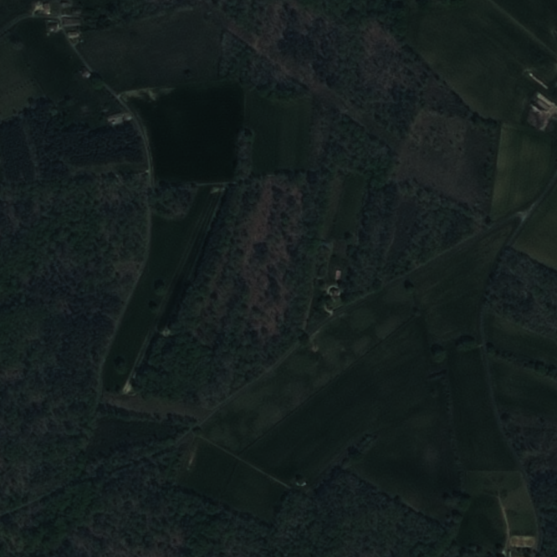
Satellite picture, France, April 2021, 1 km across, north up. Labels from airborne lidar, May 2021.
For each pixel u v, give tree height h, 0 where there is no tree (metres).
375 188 18
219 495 0
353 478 17
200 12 0
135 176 16
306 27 10
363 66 5
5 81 0
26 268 18
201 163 0
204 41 0
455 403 0
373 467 0
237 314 23
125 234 10
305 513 13
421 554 14
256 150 0
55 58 0
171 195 18
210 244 15
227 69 11
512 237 0
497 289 19
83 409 24
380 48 8
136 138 12
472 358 0
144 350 0
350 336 0
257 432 0
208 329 10
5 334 21
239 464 0
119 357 0
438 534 21
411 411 0
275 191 13
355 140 14
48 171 17
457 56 0
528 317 17
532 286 18
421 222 9
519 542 0
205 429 0
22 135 14
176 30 0
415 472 0
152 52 0
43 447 21
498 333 0
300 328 16
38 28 0
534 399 0
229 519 13
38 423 11
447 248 16
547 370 10
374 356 0
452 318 0
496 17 0
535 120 0
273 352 10
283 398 0
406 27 14
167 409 0
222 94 0
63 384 24
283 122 0
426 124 0
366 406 0
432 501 0
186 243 0
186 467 0
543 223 0
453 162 0
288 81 13
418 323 0
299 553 13
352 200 0
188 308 22
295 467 0
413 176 0
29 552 12
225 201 11
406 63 12
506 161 0
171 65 0
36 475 20
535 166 0
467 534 0
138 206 24
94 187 16
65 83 0
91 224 16
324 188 16
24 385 13
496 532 0
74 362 27
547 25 0
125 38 0
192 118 0
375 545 13
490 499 0
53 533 21
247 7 19
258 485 0
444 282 0
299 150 0
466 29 0
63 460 17
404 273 12
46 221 16
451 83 0
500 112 0
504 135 0
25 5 0
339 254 0
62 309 16
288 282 14
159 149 0
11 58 0
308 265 19
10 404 23
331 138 8
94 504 20
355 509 17
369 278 20
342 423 0
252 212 9
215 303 19
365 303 0
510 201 0
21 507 12
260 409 0
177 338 21
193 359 21
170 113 0
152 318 0
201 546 24
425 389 0
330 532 24
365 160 11
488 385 0
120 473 15
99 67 0
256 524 13
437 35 0
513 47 0
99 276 13
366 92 14
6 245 19
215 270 17
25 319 20
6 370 9
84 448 14
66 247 17
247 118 0
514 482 0
